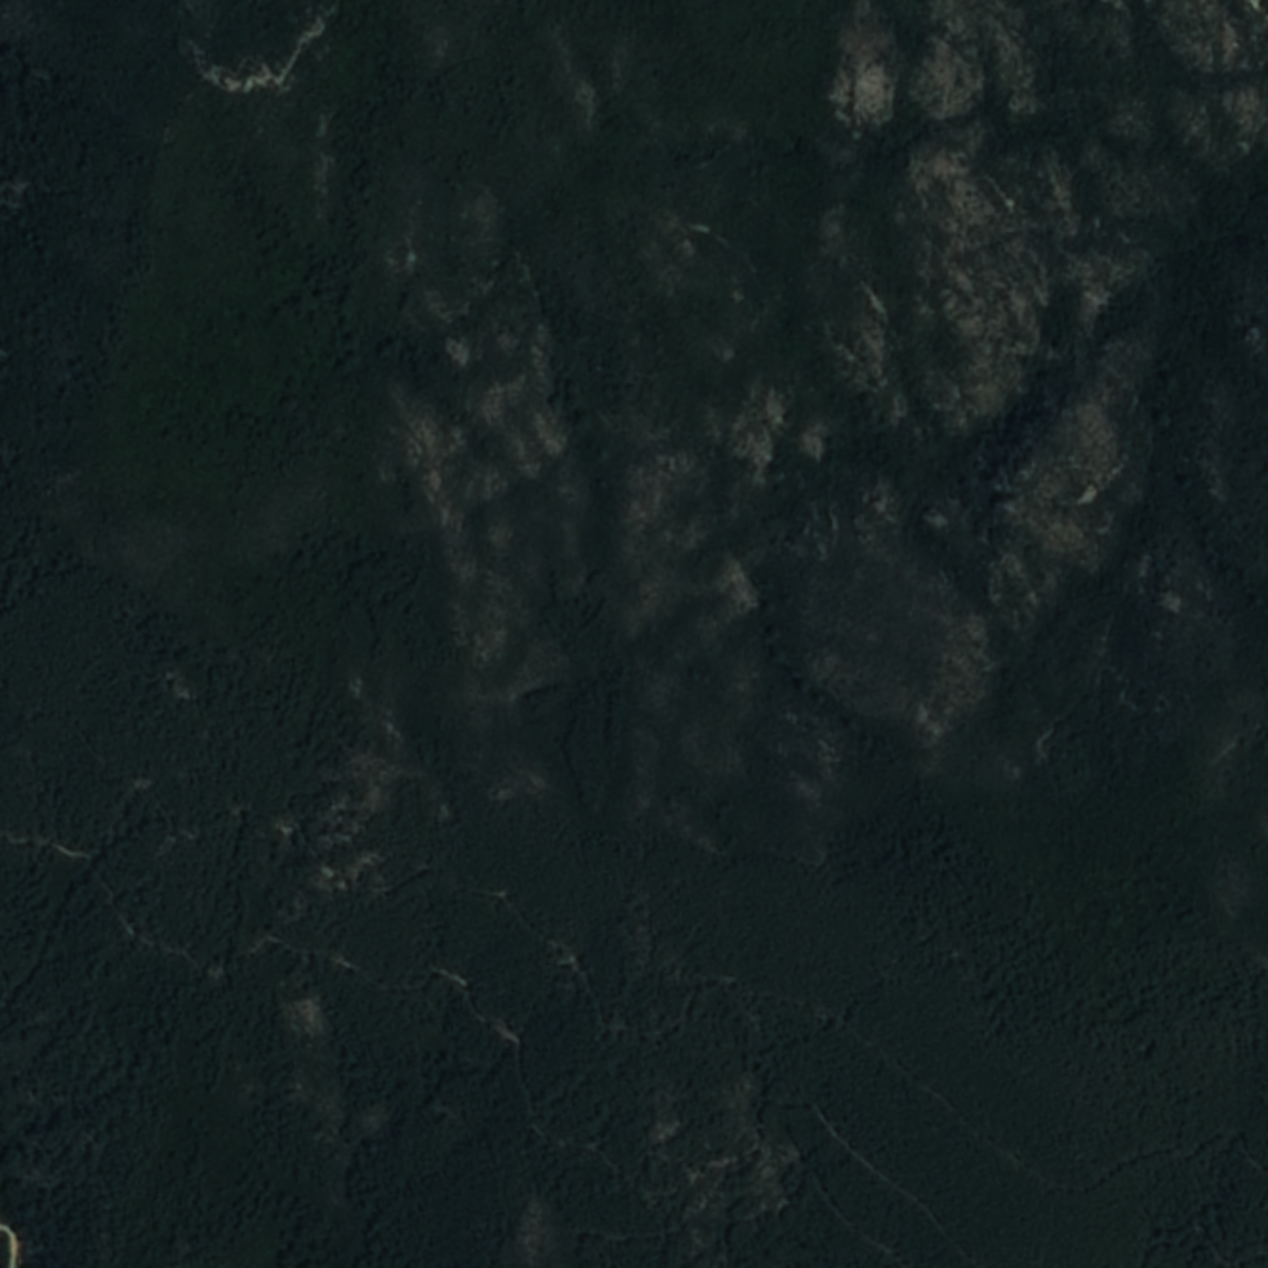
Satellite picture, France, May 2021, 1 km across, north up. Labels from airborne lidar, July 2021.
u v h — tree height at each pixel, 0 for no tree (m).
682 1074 10
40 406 6
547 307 11
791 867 9
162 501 6
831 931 10
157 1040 11
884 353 6
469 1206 12
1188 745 6
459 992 14
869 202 6
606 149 9
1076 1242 12
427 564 6
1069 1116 11
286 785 14
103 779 11
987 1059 14
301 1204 16
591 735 15
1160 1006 16
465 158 11
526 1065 12
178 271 8
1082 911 6
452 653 10
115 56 5
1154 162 9
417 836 13
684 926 9
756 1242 14
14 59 10
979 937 13
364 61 9
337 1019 10
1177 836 9
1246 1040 14
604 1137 13
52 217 7
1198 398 6
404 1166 13
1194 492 6
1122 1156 15
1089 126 8
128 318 7
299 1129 12
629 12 7
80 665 12
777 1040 11
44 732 14
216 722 12
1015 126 10
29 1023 11
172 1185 12
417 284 7
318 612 12
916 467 6
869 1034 13
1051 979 13
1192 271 13
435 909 14
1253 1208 13
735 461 7
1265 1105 14
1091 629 8
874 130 5
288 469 9
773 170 6
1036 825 6
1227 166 7
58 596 12
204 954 11
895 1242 11
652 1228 10
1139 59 9
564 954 13
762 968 11
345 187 7
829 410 6
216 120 9
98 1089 17
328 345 6
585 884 11
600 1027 8
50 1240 15
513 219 6
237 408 8
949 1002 13
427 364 17
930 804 8
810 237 5
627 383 9
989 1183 11
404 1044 12
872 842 13
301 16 6
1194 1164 14
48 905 15
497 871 10
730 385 6
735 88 6
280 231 11
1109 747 7
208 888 11
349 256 6
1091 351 7
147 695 13
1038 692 6
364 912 10
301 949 13
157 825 13
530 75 6
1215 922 5
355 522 6
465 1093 9
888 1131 10
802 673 6
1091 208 6
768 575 5
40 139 11
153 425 7
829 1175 14
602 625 12
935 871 15
